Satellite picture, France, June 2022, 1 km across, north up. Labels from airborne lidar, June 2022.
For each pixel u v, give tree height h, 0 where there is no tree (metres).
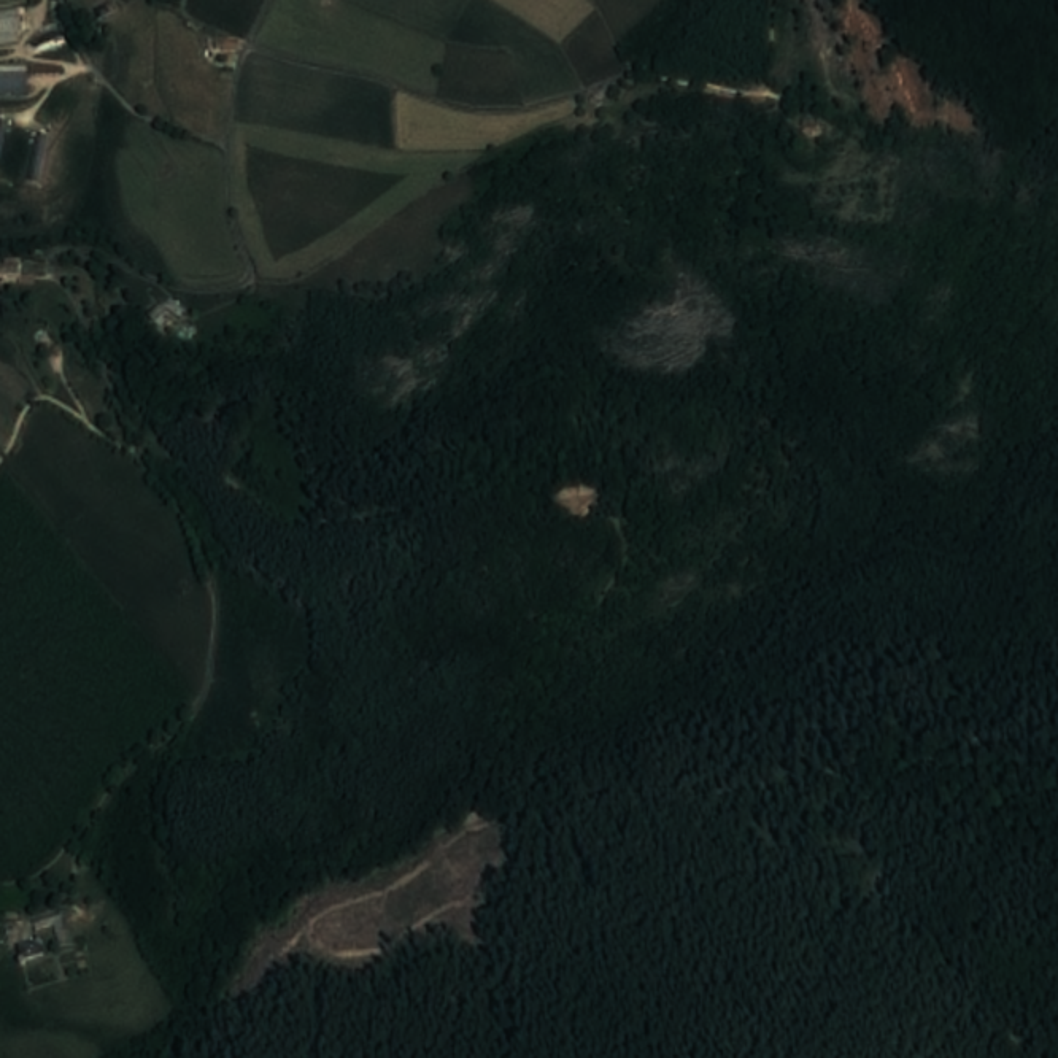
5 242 13
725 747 30
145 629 0
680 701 23
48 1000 0
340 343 21
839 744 30
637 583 14
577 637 17
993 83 23
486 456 19
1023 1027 11
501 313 10
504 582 16
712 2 13
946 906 30
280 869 29
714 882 23
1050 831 19
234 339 16
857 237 9
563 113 0
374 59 0
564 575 15
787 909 29
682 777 17
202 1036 15
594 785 29
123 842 8
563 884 23
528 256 14
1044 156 13
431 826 26
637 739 26
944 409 11
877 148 12
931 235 8
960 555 19
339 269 0
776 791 19
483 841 0
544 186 12
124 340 24
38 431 0
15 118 0
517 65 0
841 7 29
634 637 11
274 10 0
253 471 17
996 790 13
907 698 39
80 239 11
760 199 13
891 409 25
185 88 0
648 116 11
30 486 0
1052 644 22
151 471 14
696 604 7
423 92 0
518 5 0
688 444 18
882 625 25
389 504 26
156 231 0
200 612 0
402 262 0
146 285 0
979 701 25
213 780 26
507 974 29
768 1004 26
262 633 0
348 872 19
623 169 8
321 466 20
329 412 18
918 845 25
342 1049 25
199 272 0
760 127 10
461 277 18
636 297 11
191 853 24
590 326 14
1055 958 10
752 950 27
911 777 23
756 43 15
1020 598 22
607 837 22
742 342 15
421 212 0
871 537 22
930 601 25
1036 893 24
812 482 18
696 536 11
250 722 0
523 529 15
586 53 0
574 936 25
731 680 23
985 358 19
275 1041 28
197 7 0
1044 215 7
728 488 22
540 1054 25
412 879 0
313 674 16
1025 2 21
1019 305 18
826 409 30
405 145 0
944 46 22
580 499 0
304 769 15
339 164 0
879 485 22
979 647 23
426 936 0
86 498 0
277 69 0
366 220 0
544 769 17
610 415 17
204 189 0
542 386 20
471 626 18
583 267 17
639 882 25
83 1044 0
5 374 0
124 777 17
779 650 24
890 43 21
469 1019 26
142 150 0
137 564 0
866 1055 18
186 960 7
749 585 11
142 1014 0
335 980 14
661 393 16
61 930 0
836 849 10
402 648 26
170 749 9
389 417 18
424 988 27
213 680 0
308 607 19
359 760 31
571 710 13
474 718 23
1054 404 21
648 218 7
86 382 0
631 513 19
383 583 22
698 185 7
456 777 25
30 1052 0
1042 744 30
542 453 19
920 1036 17
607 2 0
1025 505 21
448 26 0
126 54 0
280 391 11
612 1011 31
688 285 0
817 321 7
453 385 7
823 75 0
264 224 0
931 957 25
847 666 20
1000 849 24
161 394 16
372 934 0
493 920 31
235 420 29
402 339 16
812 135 0
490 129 0
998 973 9
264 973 0
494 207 8
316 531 19
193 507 17
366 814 26
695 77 13
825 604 21
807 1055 22
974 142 10
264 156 0
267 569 27
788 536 15
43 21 0
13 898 0
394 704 33
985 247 16
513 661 22
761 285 10
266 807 26
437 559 20
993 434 16
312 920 0
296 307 0
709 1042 20
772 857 19
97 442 8
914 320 12
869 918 24
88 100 0
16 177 0
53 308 0
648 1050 28
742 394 18
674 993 28
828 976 13
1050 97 19
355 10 0
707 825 27
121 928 0
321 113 0
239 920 22
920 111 0
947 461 7
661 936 30
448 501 16
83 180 0
